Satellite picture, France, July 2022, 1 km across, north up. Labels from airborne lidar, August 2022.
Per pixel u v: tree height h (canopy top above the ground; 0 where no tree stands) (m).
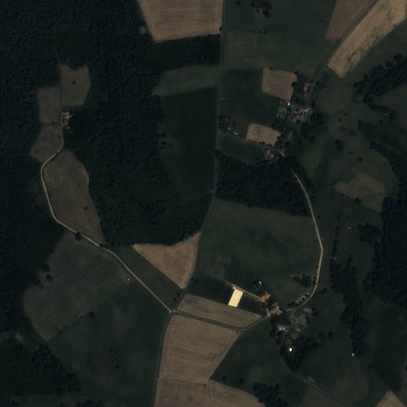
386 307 0
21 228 11
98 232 0
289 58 0
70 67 6
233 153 0
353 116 0
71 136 11
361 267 0
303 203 16
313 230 0
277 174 9
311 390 0
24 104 11
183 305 0
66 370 14
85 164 9
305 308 0
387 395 0
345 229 0
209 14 0
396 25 0
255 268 0
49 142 0
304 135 13
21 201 9
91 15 16
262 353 0
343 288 13
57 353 0
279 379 0
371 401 0
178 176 0
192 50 6
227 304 0
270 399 19
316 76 0
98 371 0
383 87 15
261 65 0
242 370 0
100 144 10
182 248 0
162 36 0
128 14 18
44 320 0
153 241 9
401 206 25
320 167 8
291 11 0
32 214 6
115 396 0
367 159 0
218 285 0
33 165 7
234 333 0
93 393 0
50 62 12
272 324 12
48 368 20
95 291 0
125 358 0
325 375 0
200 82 0
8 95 8
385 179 0
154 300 0
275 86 0
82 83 0
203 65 12
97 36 23
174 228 0
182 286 0
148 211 12
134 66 21
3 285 14
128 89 10
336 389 0
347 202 0
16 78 9
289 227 0
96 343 0
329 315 0
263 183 11
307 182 12
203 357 0
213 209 0
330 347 0
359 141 0
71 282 0
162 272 0
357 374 0
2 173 10
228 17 0
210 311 0
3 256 16
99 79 9
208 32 0
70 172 0
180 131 0
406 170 24
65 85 0
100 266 0
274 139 0
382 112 14
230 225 0
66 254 0
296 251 0
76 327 0
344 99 0
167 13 0
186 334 0
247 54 0
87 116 12
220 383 0
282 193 12
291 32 0
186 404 0
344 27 0
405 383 0
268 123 0
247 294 0
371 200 0
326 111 0
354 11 0
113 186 13
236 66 0
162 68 6
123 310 0
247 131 0
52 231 7
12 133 0
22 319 14
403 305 20
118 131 18
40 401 0
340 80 0
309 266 0
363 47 0
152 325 0
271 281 0
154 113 12
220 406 0
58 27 18
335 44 0
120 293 0
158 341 0
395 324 0
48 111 0
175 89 0
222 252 0
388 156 15
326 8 0
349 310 21
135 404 0
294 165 16
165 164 7
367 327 10
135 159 11
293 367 11
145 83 12
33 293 0
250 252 0
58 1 18
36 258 9
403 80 17
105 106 18
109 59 21
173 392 0
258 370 0
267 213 0
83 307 0
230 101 0
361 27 0
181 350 0
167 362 0
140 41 10
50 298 0
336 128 0
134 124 8
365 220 0
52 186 0
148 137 9
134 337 0
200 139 0
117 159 20
